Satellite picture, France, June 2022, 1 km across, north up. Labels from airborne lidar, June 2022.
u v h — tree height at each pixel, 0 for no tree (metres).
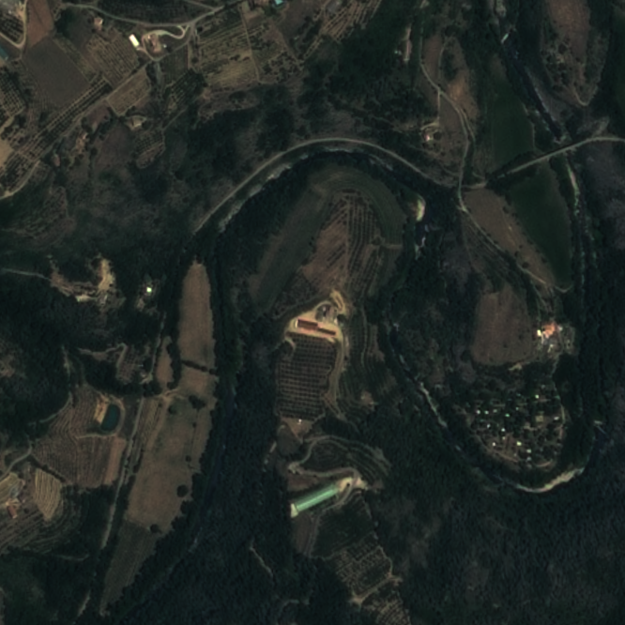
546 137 9
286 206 9
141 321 18
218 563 7
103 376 26
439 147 7
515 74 13
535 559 7
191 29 0
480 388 13
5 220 7
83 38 0
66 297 8
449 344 6
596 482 8
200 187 9
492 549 11
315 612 13
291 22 0
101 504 9
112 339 6
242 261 8
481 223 0
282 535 15
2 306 21
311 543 0
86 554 15
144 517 0
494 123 0
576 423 9
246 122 10
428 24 9
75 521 10
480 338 0
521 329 0
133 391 16
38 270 13
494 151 0
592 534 12
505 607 9
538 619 20
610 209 0
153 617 23
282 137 12
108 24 11
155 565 16
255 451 8
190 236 10
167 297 16
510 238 0
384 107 8
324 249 0
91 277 12
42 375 6
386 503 10
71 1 8
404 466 20
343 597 19
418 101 14
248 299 10
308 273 0
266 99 9
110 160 0
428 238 10
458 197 6
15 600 6
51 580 16
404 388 9
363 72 6
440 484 17
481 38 17
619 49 16
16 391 12
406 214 10
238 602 10
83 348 11
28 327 21
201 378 0
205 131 11
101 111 0
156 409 0
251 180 7
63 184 7
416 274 18
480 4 12
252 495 7
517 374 10
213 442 15
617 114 13
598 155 0
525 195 0
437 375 0
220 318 14
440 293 10
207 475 16
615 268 14
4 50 0
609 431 9
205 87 8
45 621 7
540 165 7
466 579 7
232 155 16
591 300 21
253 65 0
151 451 0
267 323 9
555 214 0
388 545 8
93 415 0
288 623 16
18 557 9
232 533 6
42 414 11
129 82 0
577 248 9
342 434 15
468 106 0
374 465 7
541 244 0
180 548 16
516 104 0
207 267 16
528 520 16
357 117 6
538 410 8
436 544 12
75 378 12
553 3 0
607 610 16
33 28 0
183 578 26
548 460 12
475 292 10
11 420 16
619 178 0
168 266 12
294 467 0
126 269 15
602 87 14
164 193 13
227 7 6
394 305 11
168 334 7
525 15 10
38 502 0
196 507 20
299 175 18
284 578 16
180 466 0
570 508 7
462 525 10
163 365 0
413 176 14
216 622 13
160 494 0
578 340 7
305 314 0
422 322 11
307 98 15
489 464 6
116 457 0
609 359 14
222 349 19
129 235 7
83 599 7
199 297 0
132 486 10
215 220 17
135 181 8
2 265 10
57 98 0
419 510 11
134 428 0
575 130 8
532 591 9
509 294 0
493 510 13
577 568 10
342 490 0
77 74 0
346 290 0
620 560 11
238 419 14
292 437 0
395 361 14
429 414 12
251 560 8
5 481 0
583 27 0
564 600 14
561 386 8
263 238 11
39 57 0
